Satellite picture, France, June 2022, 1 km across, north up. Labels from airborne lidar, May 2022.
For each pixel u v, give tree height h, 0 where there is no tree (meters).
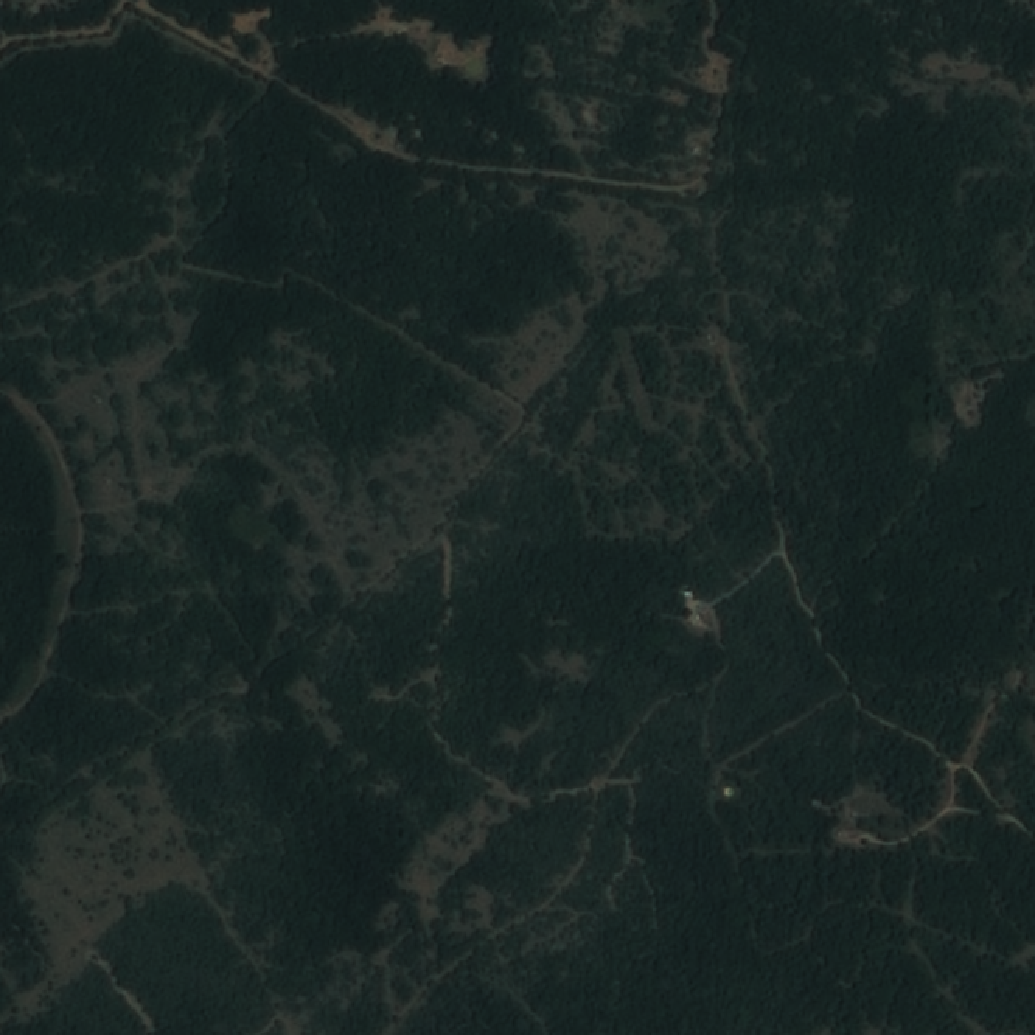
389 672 9
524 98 11
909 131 15
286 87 8
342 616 8
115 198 8
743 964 8
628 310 9
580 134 8
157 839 0
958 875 14
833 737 6
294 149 15
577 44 6
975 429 10
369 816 9
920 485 9
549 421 7
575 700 6
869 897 15
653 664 7
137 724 8
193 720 7
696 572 7
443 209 9
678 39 9
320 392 9
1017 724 9
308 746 8
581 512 9
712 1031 10
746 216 8
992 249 5
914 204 13
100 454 6
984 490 12
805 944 8
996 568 15
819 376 9
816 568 12
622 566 14
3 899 8
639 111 8
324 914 9
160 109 8
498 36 15
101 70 9
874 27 7
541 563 9
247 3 11
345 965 7
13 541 10
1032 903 14
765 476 6
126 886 0
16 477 11
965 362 10
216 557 11
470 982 7
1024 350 8
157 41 6
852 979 8
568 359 8
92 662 6
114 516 0
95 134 8
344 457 8
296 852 8
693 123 7
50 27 11
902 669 7
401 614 7
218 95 8
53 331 10
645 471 10
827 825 9
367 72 11
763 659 7
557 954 6
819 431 6
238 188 16
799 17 11
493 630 11
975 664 13
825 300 11
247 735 6
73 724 6
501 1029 13
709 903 8
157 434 0
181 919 5
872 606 13
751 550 6
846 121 8
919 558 11
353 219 11
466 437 0
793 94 7
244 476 11
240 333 12
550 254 13
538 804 7
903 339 9
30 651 10
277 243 15
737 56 9
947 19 9
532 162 7
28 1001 0
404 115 8
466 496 7
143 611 6
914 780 11
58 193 9
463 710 10
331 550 0
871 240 7
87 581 8
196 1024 10
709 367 8
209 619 6
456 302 9
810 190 7
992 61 8
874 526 15
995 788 8
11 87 9
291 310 9
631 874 6
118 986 8
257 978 9
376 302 8
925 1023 13
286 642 12
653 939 6
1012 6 7
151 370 0
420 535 0
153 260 7
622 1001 9
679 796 6
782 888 9
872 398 12
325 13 12
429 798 7
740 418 11
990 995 12
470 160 12
